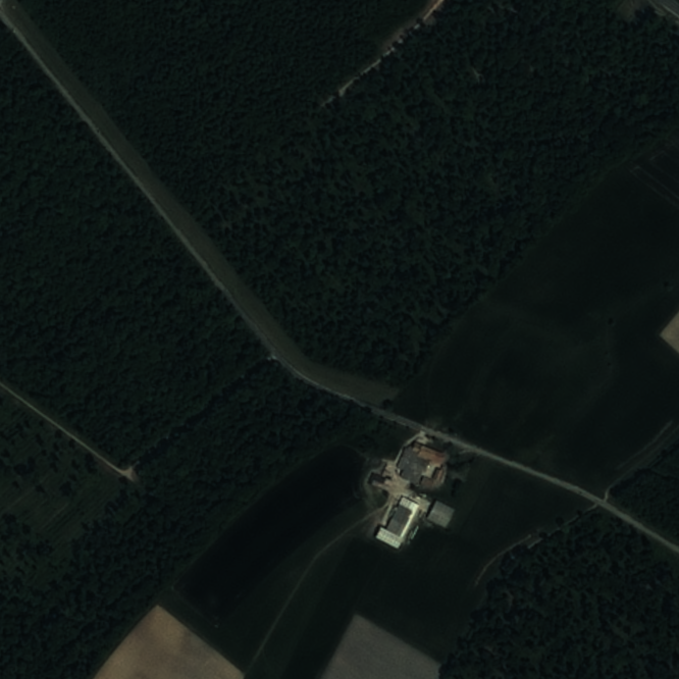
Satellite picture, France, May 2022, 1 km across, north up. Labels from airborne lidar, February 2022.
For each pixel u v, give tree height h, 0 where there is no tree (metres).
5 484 0
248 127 22
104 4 18
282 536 0
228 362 21
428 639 0
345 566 0
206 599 0
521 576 25
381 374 23
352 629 0
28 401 0
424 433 0
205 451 26
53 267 18
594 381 0
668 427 0
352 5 19
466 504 0
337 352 16
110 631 22
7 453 0
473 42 24
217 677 0
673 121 22
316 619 0
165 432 11
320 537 0
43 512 0
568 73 25
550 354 0
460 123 23
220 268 0
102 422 14
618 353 0
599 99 23
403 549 0
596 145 26
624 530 26
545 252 0
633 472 0
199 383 23
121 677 0
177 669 0
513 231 27
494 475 0
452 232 27
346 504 0
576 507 0
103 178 22
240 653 0
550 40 27
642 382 0
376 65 0
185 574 0
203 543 21
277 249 21
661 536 0
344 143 26
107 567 22
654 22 25
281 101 18
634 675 22
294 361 0
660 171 0
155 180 0
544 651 21
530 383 0
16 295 24
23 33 0
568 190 21
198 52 23
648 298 0
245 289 0
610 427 0
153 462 22
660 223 0
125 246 25
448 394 0
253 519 0
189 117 20
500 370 0
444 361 0
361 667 0
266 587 0
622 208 0
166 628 0
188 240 0
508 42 24
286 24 24
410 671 0
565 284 0
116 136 0
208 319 24
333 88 21
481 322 0
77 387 25
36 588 0
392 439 0
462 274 27
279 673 0
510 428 0
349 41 14
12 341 26
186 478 23
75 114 12
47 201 25
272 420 24
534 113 25
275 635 0
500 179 23
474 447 0
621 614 26
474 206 22
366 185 0
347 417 25
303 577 0
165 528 12
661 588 28
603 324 0
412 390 0
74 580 8
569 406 0
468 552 0
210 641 0
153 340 22
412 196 26
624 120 26
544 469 0
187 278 20
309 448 24
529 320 0
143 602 13
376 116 24
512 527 0
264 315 0
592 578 28
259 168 19
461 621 0
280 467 22
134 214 23
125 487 23
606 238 0
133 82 7
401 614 0
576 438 0
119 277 22
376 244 25
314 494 0
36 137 27
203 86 24
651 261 0
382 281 27
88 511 0
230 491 21
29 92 22
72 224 20
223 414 26
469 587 0
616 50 22
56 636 25
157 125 16
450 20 22
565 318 0
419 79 21
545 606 27
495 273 11
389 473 0
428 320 0
